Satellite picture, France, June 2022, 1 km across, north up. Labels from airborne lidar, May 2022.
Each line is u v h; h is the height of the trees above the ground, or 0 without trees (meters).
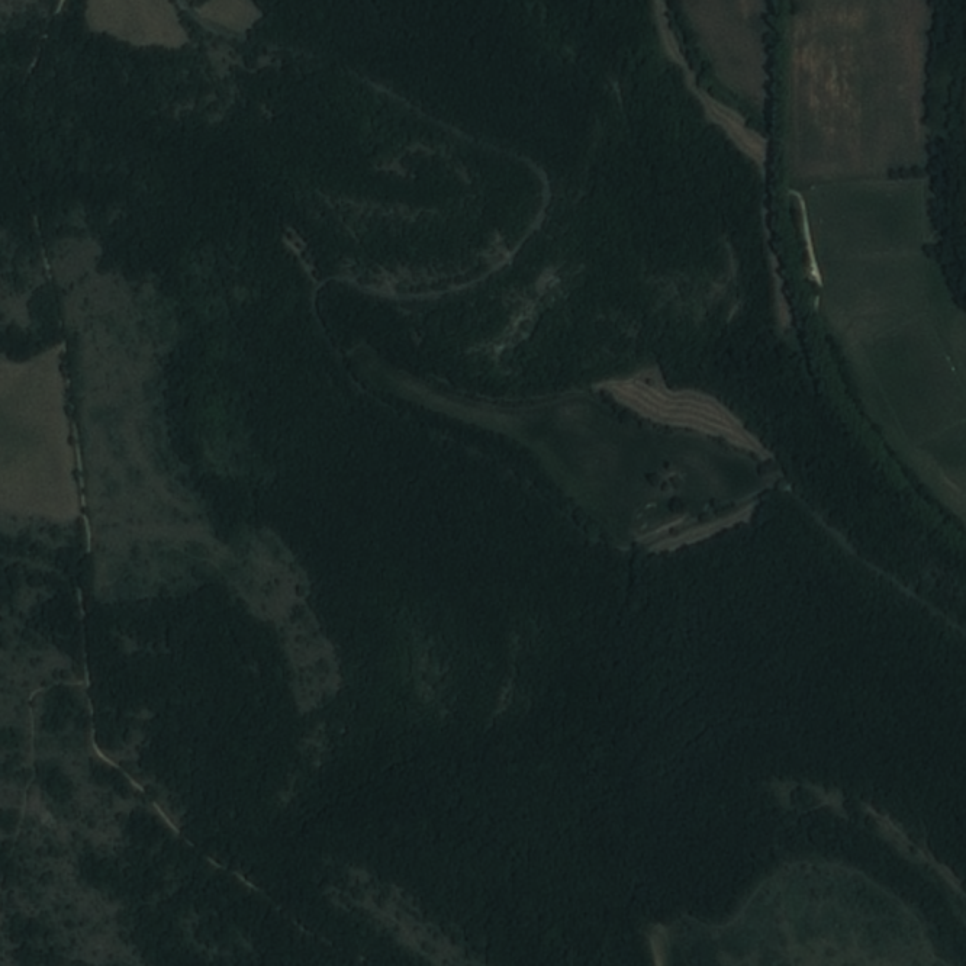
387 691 11
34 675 0
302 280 7
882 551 17
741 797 11
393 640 13
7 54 11
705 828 12
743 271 11
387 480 15
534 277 6
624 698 15
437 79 17
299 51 10
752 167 15
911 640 11
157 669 11
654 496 0
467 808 14
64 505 0
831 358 20
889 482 24
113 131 10
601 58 12
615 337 10
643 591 21
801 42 0
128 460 0
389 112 12
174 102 7
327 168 11
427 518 15
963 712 13
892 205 0
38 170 9
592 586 13
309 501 11
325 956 9
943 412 0
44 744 0
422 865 15
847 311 0
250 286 6
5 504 0
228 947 6
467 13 15
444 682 11
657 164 15
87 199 8
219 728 14
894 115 0
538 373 13
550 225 9
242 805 11
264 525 8
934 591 12
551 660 15
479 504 19
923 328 0
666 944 0
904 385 0
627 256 10
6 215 12
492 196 9
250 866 13
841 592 9
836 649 14
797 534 12
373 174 6
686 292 10
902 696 14
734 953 0
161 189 8
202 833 8
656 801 10
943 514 15
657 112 12
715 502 11
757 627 15
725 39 0
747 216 11
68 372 8
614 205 13
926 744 13
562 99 15
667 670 12
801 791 11
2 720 0
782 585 14
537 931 16
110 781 7
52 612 10
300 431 16
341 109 12
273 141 13
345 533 17
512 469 11
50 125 7
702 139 9
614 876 19
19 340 10
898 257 0
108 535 0
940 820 11
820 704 16
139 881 9
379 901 7
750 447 0
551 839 11
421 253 8
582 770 12
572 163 9
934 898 8
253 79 12
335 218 7
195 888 11
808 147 0
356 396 9
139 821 8
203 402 6
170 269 15
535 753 15
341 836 13
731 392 14
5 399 0
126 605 10
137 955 6
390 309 9
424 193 12
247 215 10
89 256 0
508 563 15
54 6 7
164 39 0
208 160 18
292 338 14
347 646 10
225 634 7
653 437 0
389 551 15
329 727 10
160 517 0
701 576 19
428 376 8
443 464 18
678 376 17
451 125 9
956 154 22
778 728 11
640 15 7
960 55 16
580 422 0
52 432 0
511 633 7
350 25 14
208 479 12
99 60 9
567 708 24
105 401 0
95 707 8
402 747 12
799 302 28
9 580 9
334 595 12
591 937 10
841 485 24
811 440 23
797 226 8
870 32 0
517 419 0
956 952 8
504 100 15
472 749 13
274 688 10
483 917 13
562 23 9
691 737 8
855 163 0
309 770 10
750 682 12
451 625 11
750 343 19
